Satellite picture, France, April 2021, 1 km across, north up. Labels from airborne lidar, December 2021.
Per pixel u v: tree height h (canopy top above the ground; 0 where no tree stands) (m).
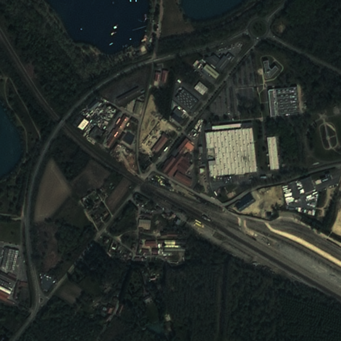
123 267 16
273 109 0
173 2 0
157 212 0
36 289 0
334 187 0
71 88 13
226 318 32
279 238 0
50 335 14
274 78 0
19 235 0
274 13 0
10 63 9
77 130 12
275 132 19
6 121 0
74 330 15
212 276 36
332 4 19
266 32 0
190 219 0
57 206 0
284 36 13
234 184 0
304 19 20
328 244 0
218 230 0
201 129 0
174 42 23
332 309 23
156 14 12
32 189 0
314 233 0
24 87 11
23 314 7
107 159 0
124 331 11
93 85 16
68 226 12
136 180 0
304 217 14
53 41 16
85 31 0
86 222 0
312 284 0
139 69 21
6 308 14
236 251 0
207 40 21
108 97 0
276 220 0
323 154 0
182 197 0
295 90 0
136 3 0
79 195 0
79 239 18
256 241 0
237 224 0
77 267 15
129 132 0
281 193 0
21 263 0
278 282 9
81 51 11
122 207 0
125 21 0
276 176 0
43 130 13
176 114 0
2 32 0
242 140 0
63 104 15
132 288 10
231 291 36
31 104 11
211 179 0
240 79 11
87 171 0
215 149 0
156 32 0
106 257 28
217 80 0
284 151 19
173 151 0
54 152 9
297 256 0
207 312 39
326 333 18
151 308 0
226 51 0
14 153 0
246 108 30
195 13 0
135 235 0
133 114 0
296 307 22
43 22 27
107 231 0
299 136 31
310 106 22
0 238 0
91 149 0
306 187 0
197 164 17
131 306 24
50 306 18
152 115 0
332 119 0
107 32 0
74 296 0
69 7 0
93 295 8
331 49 7
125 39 0
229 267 36
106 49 0
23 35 22
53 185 0
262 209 0
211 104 0
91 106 0
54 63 19
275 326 31
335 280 0
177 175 0
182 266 11
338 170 0
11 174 15
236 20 21
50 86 17
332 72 21
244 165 0
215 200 0
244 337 8
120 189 0
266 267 0
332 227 0
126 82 0
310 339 19
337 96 19
